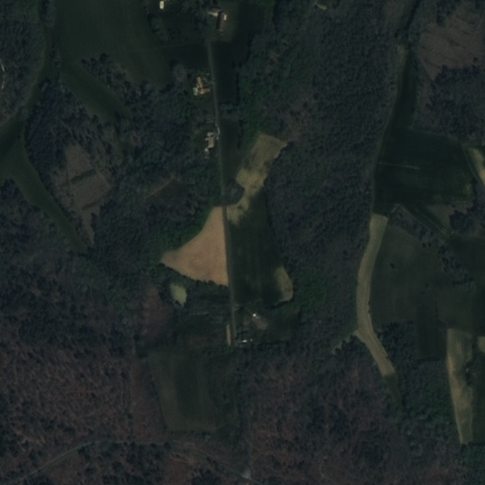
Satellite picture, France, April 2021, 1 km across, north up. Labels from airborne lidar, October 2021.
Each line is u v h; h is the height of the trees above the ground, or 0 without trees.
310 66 17
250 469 17
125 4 0
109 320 10
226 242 0
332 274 22
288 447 0
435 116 20
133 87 14
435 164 0
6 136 0
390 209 0
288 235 19
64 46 0
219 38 0
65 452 9
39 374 11
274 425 16
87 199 0
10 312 28
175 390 0
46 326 20
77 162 0
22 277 14
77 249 0
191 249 0
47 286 26
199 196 24
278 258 0
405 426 26
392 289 0
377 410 14
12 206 20
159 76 0
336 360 17
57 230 23
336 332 20
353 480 0
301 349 26
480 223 21
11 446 13
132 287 24
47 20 22
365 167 17
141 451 9
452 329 0
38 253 21
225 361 6
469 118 26
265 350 16
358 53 17
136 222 20
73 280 19
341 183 16
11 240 21
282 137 15
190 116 23
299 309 13
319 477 0
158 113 16
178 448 0
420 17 17
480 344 0
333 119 21
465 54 0
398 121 0
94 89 0
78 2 0
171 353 0
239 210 0
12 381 13
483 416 0
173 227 23
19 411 11
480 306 0
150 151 24
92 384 8
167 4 0
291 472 0
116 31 0
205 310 6
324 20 12
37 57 24
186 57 0
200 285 11
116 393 12
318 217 20
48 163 21
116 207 17
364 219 18
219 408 8
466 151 0
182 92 8
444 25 13
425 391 18
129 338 14
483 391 0
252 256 0
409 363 14
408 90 0
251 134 17
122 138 28
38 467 13
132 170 11
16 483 12
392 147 0
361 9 17
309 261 21
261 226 0
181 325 9
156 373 0
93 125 12
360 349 22
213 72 0
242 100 11
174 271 11
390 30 14
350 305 20
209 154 0
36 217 23
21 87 20
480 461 20
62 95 18
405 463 13
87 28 0
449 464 14
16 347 8
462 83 17
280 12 18
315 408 13
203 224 13
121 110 0
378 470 11
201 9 11
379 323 0
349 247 16
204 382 0
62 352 13
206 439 16
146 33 0
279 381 10
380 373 19
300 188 17
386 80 24
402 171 0
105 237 17
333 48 15
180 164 20
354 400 13
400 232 0
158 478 23
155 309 0
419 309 0
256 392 18
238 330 10
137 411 0
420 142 0
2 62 13
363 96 16
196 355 0
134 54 0
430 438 13
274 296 0
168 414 0
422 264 0
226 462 0
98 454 10
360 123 13
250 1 14
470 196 0
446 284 0
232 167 0
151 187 22
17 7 26
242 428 15
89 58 0
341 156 17
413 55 9
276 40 21
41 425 7
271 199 22
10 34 23
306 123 10
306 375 12
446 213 0
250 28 0
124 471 22
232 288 0
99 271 26
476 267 0
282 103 16
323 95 19
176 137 26
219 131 0
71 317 14
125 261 19
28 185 0
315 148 20
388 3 18
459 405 0
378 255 0
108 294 24
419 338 0
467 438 0
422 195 0
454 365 0
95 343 28
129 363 21
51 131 13
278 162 14
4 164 0
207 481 0
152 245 25
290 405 18
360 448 12
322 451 8
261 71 20
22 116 21
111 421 11
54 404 11
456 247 0
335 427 9
